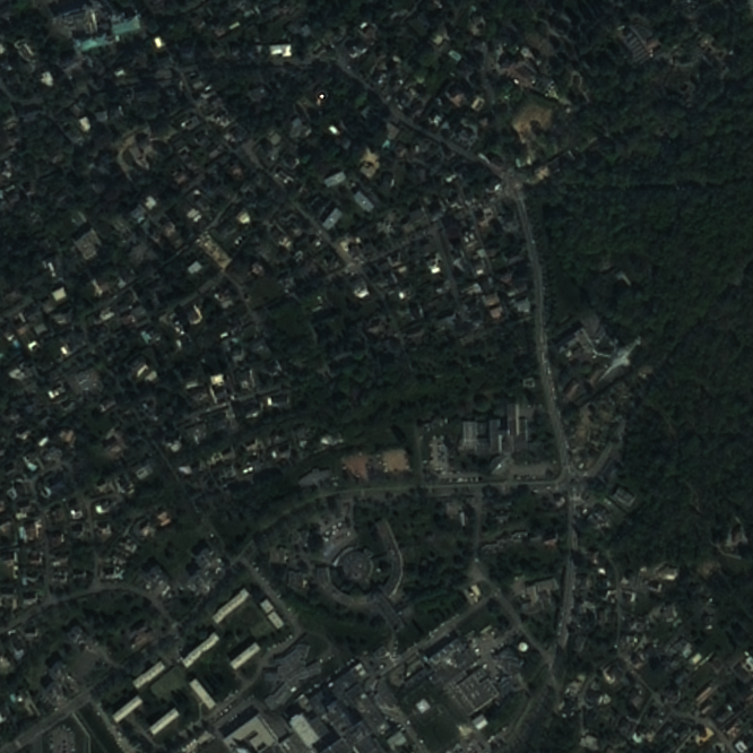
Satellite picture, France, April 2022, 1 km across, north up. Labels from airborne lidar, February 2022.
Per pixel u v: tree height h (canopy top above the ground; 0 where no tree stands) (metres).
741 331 25
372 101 15
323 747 0
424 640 0
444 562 10
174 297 11
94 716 0
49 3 0
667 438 37
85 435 16
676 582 6
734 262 17
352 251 0
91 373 0
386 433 0
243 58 22
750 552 18
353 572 0
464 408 18
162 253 16
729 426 17
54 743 0
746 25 25
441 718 0
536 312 14
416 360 16
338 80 23
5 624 10
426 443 0
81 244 0
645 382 11
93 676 11
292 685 0
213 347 6
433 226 7
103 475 6
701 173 29
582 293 0
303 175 19
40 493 6
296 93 12
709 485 30
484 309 7
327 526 0
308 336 11
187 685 0
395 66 17
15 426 8
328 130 0
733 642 6
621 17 20
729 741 0
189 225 13
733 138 22
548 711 17
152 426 13
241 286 0
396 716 0
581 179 23
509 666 0
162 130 27
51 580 0
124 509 17
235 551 11
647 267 16
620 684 0
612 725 0
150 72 9
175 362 0
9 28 20
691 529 25
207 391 7
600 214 29
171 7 25
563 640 0
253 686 0
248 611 0
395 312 15
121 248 11
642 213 27
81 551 19
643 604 0
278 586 16
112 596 10
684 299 23
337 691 0
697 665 0
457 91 0
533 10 16
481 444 0
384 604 0
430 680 6
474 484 0
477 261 0
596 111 14
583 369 8
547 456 9
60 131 24
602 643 16
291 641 0
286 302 12
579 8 0
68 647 8
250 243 7
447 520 10
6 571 0
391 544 0
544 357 0
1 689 19
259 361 17
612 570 17
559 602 19
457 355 8
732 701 9
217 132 6
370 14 20
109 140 20
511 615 0
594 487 15
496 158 0
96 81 14
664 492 25
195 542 0
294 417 14
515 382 17
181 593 10
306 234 7
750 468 28
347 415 21
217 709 0
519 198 0
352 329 18
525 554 0
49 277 7
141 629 0
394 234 13
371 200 0
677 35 13
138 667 18
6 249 13
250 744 0
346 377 21
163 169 6
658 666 22
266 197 21
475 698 0
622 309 24
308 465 0
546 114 0
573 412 16
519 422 0
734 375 22
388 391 21
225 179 9
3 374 6
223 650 0
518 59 0
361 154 19
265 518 22
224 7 0
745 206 21
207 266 0
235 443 12
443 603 13
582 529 12
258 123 22
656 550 25
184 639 11
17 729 7
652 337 18
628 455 14
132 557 8
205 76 13
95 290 0
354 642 8
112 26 0
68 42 0
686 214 21
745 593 20
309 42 12
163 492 19
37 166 18
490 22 13
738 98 24
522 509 0
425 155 12
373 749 0
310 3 12
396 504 10
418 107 0
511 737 0
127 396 7
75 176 6
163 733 0
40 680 0
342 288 12
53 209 15
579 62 9
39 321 0
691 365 27
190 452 20
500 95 15
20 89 20
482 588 0
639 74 16
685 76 0
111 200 23
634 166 16
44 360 11
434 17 13
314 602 11
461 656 0
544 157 18
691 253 20
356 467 0
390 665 0
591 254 23
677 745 10
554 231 17
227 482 6
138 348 7
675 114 26
